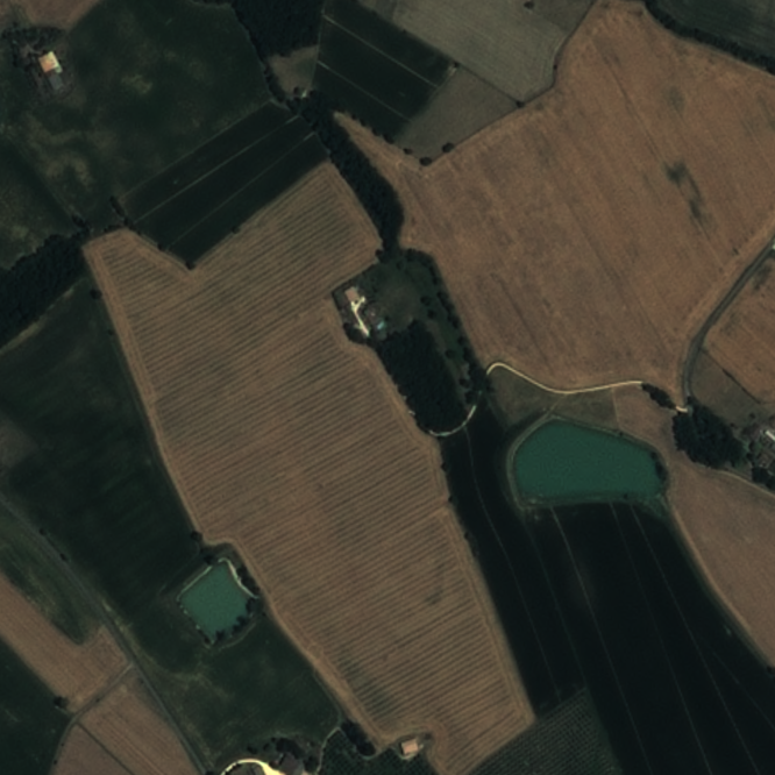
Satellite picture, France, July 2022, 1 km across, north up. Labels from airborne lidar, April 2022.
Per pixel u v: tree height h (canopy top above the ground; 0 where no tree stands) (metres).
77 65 0
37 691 0
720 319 0
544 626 0
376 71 0
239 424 0
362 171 20
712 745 0
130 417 0
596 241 0
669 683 0
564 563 0
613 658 0
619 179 0
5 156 0
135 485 0
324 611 0
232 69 0
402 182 0
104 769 0
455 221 0
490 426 0
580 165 0
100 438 0
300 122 0
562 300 0
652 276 0
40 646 0
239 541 0
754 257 0
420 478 0
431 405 18
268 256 0
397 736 0
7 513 0
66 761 0
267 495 0
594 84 0
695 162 0
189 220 0
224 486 0
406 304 0
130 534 0
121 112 0
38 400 0
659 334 0
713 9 0
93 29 0
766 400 0
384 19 0
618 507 0
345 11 0
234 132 0
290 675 0
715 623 0
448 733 0
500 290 0
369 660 0
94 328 0
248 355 0
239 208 0
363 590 0
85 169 0
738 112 0
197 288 0
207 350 0
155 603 0
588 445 0
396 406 0
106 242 0
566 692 0
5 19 0
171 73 0
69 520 0
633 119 0
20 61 9
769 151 0
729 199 0
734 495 0
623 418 0
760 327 0
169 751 0
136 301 0
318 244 0
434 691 0
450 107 0
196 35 0
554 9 0
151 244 0
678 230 0
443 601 0
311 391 0
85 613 0
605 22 0
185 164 0
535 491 0
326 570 0
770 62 24
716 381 0
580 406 0
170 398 0
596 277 0
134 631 0
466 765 0
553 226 0
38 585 0
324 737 0
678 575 0
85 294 0
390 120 0
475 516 0
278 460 0
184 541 0
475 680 0
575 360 0
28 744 0
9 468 0
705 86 0
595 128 0
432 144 0
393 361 18
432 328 0
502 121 0
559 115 0
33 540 0
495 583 0
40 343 0
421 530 0
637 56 0
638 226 0
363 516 0
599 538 0
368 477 0
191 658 0
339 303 0
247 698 0
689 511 0
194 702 0
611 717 0
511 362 0
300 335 0
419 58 0
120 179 0
